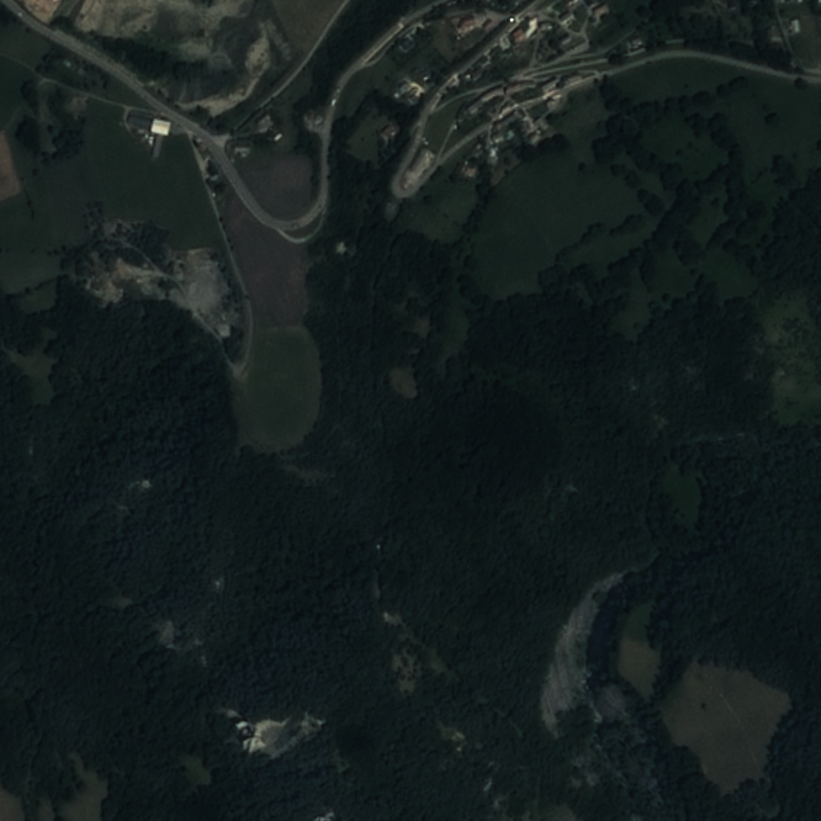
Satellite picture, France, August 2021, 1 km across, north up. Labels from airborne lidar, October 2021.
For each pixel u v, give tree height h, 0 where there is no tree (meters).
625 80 0
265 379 0
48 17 0
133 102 0
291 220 0
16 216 0
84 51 0
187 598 14
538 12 0
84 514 16
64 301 15
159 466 14
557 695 0
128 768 16
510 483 26
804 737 13
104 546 12
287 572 15
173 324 19
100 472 14
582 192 0
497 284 0
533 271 0
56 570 27
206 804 20
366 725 15
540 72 0
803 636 27
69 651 22
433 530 19
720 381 16
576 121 0
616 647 13
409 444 22
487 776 11
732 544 25
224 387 9
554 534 13
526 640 17
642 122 18
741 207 27
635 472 25
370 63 0
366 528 18
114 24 0
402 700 7
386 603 13
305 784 15
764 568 21
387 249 16
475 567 28
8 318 15
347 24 8
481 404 17
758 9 8
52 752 11
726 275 0
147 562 15
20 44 0
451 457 29
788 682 19
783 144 0
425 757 18
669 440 15
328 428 8
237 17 0
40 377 0
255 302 0
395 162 14
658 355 18
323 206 0
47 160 8
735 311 21
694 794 22
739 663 13
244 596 21
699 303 12
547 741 11
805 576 13
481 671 19
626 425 19
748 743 0
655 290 10
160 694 19
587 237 11
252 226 0
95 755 19
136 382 14
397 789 11
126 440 13
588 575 15
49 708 19
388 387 19
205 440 20
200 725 16
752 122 0
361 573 24
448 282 24
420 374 13
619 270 18
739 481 19
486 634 20
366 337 20
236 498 20
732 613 21
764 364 10
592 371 25
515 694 19
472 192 0
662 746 31
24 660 17
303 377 0
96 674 24
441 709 7
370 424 14
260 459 9
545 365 19
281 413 0
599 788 8
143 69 7
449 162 0
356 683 16
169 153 0
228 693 15
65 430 18
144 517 11
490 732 16
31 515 22
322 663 14
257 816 15
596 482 10
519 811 10
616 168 12
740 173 8
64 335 11
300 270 0
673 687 7
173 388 19
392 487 22
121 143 0
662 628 21
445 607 29
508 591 28
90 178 0
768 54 19
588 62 0
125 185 0
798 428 8
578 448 7
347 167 17
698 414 20
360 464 11
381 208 13
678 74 0
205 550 13
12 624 19
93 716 19
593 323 23
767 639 24
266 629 22
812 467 21
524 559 20
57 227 0
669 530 27
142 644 21
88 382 26
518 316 23
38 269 0
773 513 23
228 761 24
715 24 6
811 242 27
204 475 21
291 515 22
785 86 0
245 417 0
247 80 0
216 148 0
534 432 19
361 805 20
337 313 10
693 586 19
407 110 10
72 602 28
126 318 14
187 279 0
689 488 0
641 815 19
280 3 0
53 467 18
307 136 10
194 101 0
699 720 0
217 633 22
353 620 16
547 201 0
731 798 10
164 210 0
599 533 26
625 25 13
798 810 20
